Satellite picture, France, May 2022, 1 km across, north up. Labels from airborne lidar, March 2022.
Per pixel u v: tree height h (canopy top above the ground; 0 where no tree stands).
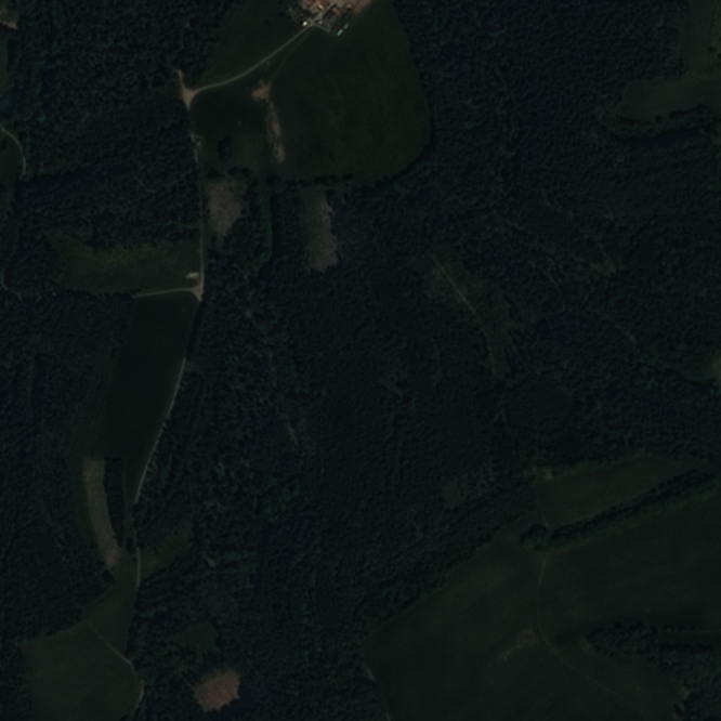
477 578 0
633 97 0
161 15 8
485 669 0
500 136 29
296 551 30
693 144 30
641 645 18
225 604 29
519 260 26
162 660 15
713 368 0
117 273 0
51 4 29
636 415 34
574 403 12
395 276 16
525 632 0
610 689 0
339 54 0
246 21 0
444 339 7
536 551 8
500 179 21
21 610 16
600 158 22
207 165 0
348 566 16
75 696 0
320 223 0
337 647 12
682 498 16
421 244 31
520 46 22
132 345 0
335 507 18
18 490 21
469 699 0
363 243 20
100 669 0
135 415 0
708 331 20
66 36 28
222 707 25
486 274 28
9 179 0
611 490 0
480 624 0
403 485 20
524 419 9
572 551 0
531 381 10
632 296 23
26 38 18
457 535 20
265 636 33
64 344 24
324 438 17
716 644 0
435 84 22
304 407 30
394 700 0
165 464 10
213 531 30
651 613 0
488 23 24
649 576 0
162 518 22
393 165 0
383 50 0
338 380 22
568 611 0
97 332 24
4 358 32
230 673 24
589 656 0
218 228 0
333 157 0
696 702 18
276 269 29
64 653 0
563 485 0
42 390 28
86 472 0
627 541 0
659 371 25
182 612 32
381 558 9
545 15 28
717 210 30
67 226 29
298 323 22
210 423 7
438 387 8
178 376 0
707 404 29
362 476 15
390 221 24
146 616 11
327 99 0
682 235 8
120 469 12
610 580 0
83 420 0
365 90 0
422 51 19
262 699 29
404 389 22
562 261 16
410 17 21
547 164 31
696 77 0
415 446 20
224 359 19
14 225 25
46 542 13
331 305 15
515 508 17
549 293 28
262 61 0
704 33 0
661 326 20
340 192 0
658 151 27
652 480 0
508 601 0
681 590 0
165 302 0
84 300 26
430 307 8
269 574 28
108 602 0
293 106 0
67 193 36
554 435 17
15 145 0
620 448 21
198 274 0
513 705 0
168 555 0
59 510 24
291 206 22
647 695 0
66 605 10
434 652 0
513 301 38
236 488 18
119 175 32
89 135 7
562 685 0
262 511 29
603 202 25
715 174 28
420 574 11
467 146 33
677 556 0
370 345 22
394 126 0
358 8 0
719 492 0
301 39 0
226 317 23
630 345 29
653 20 32
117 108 14
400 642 0
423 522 16
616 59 33
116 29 9
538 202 16
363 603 16
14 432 24
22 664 6
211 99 0
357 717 19
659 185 27
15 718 9
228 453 32
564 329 29
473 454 8
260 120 0
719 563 0
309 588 28
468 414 10
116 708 0
